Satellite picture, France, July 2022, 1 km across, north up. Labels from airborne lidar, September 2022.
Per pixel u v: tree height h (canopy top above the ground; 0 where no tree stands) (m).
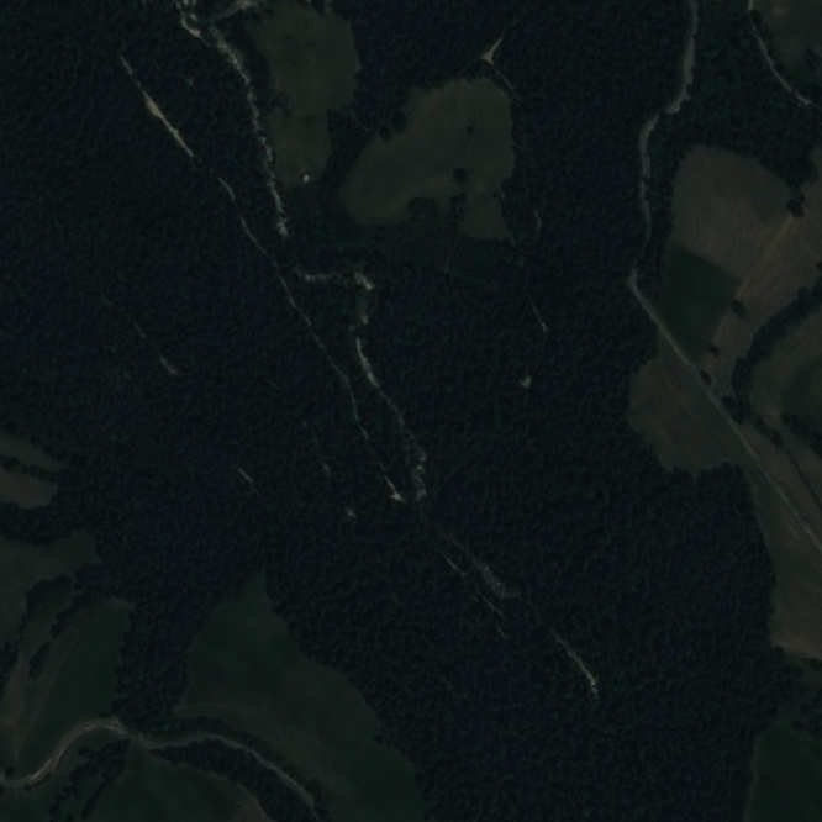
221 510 23
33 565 0
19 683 0
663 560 27
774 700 15
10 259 25
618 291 16
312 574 13
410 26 20
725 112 9
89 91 23
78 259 20
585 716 19
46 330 21
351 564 20
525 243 23
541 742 29
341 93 0
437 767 17
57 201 11
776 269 0
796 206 16
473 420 20
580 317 27
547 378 14
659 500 14
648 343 25
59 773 0
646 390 0
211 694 0
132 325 21
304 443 17
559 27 22
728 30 9
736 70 9
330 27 0
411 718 26
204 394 21
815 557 0
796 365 0
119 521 27
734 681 30
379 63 31
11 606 0
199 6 8
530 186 17
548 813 29
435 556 6
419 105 0
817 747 0
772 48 11
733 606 24
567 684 31
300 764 0
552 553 21
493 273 27
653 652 19
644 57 19
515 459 23
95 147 7
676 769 28
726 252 0
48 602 9
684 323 0
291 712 0
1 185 21
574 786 29
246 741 9
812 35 0
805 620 0
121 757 9
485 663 7
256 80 6
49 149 16
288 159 0
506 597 0
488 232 0
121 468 16
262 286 20
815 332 0
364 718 0
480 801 10
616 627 21
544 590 32
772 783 0
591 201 25
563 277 15
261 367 21
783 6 0
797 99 18
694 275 0
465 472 25
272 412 19
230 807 0
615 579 24
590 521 24
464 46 23
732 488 19
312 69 0
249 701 0
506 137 0
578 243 27
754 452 0
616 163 27
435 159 0
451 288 29
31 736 0
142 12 13
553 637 23
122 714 27
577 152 16
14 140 18
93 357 22
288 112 25
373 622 21
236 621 0
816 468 0
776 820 0
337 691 0
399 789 0
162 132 20
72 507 14
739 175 0
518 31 10
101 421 24
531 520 24
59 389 24
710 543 32
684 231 0
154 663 22
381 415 24
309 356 31
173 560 20
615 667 27
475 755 34
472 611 23
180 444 19
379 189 0
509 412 16
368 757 0
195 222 20
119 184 23
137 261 21
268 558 13
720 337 0
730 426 0
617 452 21
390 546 26
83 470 19
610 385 24
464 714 23
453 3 19
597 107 19
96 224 22
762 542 10
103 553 20
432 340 23
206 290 21
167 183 23
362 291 10
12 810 0
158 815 0
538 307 20
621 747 23
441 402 23
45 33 19
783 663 16
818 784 0
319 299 23
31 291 29
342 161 8
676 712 34
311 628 16
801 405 0
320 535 25
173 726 19
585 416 17
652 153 14
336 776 0
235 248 28
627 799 24
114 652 0
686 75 0
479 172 0
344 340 27
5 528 23
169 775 0
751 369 20
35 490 0
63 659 0
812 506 0
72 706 0
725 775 32
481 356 21
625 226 28
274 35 0
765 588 16
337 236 6
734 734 19
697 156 0
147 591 20
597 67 6
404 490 27
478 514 21
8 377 19
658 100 23
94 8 23
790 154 8
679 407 0
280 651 0
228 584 24
